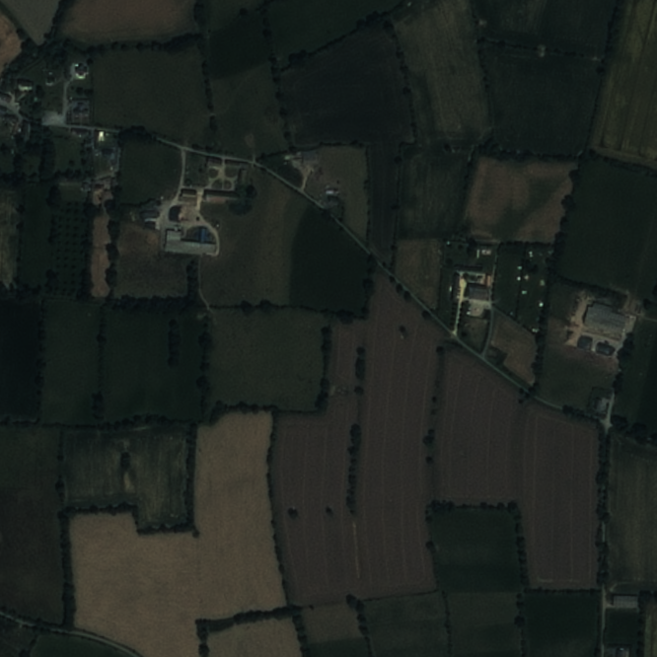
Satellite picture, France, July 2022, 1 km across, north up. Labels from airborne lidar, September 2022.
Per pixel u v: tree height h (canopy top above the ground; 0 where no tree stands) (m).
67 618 15
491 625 0
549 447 0
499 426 0
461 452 0
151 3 0
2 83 7
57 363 0
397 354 0
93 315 0
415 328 0
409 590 0
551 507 0
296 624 14
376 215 0
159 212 0
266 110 0
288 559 0
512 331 0
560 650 0
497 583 0
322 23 0
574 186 8
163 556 0
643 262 0
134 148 0
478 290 0
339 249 0
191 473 8
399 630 0
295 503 0
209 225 0
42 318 7
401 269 0
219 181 0
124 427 14
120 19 0
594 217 0
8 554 0
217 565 0
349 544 0
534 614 0
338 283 0
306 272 0
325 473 0
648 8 0
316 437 0
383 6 0
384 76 0
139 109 0
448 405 0
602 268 0
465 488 0
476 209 0
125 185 0
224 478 0
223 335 0
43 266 0
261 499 0
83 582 0
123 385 0
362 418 0
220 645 0
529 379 0
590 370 0
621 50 0
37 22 0
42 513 0
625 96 0
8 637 0
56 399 0
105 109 0
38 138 12
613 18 11
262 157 11
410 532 0
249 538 0
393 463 0
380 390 0
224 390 0
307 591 0
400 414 0
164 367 0
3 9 0
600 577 12
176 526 6
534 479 0
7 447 0
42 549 0
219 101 0
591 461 0
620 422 18
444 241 7
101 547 0
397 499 0
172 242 0
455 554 0
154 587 0
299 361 0
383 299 0
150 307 14
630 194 0
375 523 0
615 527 0
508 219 0
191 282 14
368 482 0
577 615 0
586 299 0
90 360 0
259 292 0
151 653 0
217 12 0
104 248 0
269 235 0
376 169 0
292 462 0
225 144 0
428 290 0
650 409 0
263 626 0
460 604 0
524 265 6
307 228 0
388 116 0
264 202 0
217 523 0
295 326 0
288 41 0
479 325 0
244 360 0
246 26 0
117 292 0
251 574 0
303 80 0
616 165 7
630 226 0
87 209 18
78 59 0
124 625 0
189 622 0
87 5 0
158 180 0
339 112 0
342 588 0
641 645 11
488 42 8
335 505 0
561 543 0
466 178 7
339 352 0
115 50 10
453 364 0
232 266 0
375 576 0
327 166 0
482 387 0
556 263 8
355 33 7
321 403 17
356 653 0
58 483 6
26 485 0
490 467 0
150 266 0
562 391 0
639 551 0
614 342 0
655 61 0
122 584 0
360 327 0
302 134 0
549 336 0
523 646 7
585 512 0
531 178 0
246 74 0
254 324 0
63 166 0
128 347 0
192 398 0
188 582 0
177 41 15
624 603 0
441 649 0
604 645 6
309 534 0
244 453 0
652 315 0
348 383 0
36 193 0
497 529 0
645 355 0
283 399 0
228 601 0
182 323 0
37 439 0
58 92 0
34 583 0
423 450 0
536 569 0
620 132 0
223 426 0
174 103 0
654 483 0
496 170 0
